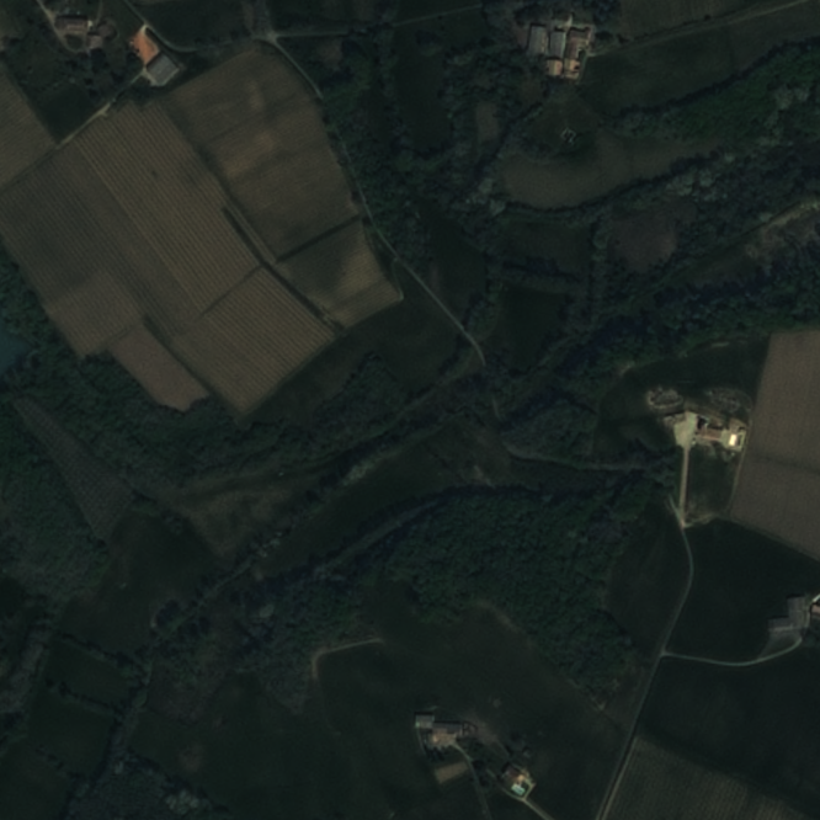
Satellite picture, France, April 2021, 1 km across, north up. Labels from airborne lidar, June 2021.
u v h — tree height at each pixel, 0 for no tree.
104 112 0
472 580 23
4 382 0
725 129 22
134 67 12
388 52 19
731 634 0
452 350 0
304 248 0
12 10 0
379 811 0
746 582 0
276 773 0
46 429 33
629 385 0
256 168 0
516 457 9
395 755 0
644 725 0
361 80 26
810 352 0
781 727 0
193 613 9
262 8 19
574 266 0
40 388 25
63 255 0
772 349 0
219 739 0
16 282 16
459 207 9
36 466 28
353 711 0
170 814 22
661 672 0
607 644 22
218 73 0
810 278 26
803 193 20
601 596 19
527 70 7
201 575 0
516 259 0
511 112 14
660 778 0
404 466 0
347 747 0
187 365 0
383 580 6
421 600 23
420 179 19
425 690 0
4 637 10
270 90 0
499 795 0
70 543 21
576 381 24
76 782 9
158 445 9
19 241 0
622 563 0
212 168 0
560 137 0
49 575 19
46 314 18
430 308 0
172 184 0
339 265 0
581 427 15
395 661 0
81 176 0
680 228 8
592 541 27
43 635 15
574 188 0
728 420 0
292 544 0
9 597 0
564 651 20
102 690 0
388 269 0
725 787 0
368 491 0
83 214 0
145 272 0
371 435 15
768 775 0
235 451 14
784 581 0
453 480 0
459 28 0
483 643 0
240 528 0
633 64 0
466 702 0
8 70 10
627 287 7
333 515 0
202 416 12
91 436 20
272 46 0
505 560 26
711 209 8
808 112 25
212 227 0
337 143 13
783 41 0
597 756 0
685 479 0
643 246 0
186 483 13
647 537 0
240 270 0
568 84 14
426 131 0
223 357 0
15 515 15
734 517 0
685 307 27
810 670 0
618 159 0
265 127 0
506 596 20
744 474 0
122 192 0
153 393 0
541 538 23
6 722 0
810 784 0
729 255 0
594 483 16
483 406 23
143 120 0
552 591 23
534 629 18
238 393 0
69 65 6
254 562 12
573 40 0
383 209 22
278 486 0
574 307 18
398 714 0
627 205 11
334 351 0
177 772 0
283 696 20
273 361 0
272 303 0
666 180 11
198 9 0
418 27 0
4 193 0
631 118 22
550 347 15
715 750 0
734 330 18
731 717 0
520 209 15
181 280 0
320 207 0
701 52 0
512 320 0
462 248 0
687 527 0
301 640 23
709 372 0
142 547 0
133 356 0
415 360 0
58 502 26
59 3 8
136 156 0
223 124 0
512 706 0
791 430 0
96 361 9
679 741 0
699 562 0
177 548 0
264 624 27
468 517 23
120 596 0
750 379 0
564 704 0
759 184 16
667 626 0
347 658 0
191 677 26
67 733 0
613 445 0
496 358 8
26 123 0
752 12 0
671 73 0
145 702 24
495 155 6
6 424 25
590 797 0
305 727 0
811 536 0
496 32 32
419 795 0
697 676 0
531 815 0
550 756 0
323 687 0
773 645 0
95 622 0
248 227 0
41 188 0
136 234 0
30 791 0
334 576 13
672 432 0
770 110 23
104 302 0
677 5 0
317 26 11
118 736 18
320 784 0
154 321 0
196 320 0
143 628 0
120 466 8
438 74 0
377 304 0
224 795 0
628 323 7
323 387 0
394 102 7
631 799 0
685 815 0
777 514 0
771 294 26
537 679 0
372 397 15
